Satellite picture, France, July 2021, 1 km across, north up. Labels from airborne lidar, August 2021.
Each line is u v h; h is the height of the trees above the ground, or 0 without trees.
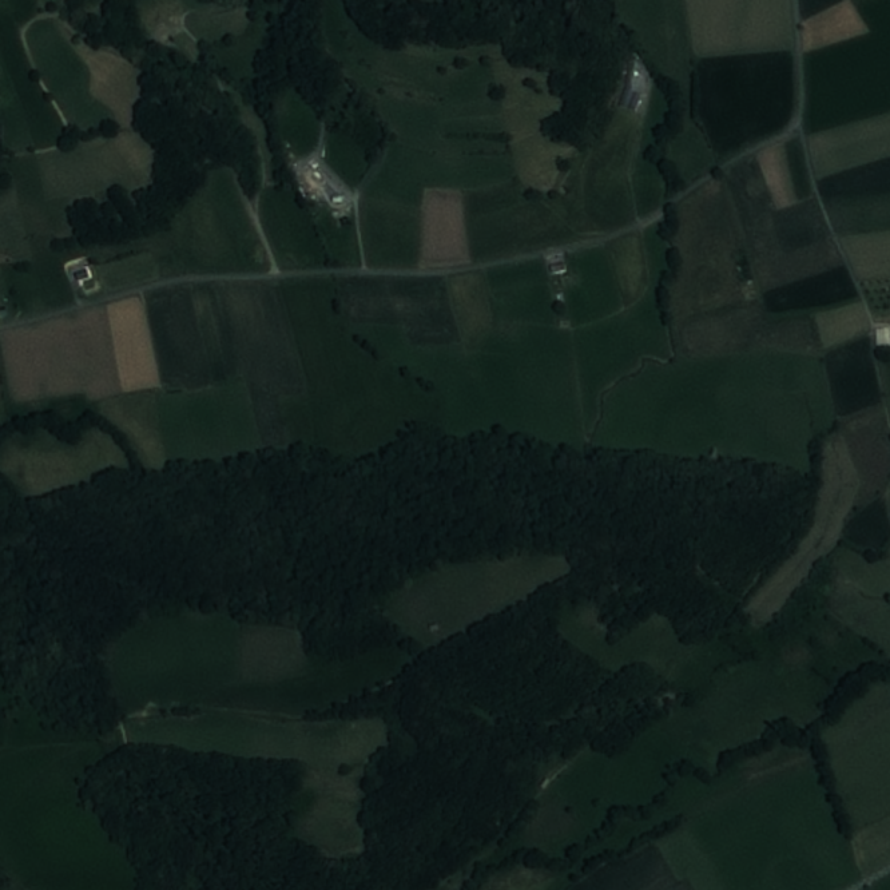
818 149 0
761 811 0
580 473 21
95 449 0
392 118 0
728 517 14
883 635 0
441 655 18
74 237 7
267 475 16
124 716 7
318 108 12
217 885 26
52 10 16
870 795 0
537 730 21
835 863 0
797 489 13
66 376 0
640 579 20
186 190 18
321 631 21
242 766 20
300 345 0
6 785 0
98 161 0
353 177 0
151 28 0
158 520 22
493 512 17
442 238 0
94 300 0
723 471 15
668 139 20
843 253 0
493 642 21
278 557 19
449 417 0
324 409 0
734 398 0
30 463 0
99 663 16
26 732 0
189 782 29
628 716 22
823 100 0
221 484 14
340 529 14
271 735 0
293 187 12
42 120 0
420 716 20
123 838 17
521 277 0
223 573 18
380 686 14
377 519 15
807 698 0
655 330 0
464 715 19
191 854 24
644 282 0
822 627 0
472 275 0
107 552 20
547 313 0
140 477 16
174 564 19
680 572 17
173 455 0
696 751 0
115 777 22
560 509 21
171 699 0
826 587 0
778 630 6
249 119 0
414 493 18
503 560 14
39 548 19
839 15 0
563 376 0
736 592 18
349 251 0
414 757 6
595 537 18
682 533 14
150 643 0
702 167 0
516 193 0
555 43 24
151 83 24
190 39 0
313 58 22
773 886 0
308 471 14
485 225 0
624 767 0
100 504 19
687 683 0
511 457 18
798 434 0
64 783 0
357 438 0
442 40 19
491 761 18
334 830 0
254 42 0
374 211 0
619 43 20
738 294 0
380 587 18
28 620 26
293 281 0
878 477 0
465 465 16
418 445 12
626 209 0
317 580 17
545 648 19
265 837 21
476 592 0
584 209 0
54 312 0
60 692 20
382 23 22
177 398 0
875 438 0
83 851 0
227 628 0
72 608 22
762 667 0
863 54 0
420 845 23
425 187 0
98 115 0
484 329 0
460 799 23
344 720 11
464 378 0
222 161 20
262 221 0
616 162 0
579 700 21
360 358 0
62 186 0
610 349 0
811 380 0
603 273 0
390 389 0
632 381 0
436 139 0
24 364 0
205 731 0
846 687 23
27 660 15
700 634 22
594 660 8
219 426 0
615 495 20
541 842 0
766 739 11
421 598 0
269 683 0
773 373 0
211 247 0
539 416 0
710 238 0
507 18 23
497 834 11
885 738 0
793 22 0
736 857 0
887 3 0
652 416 0
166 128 21
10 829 0
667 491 15
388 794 18
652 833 7
